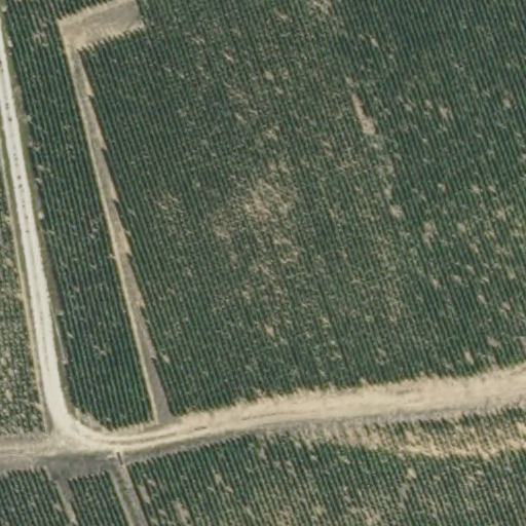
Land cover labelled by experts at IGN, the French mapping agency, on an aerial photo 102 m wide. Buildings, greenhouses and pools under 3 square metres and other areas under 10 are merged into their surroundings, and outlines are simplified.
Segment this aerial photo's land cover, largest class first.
<instances>
[{"label":"vineyard","instance_id":"1","mask_svg":"<svg viewBox=\"0 0 526 526\"><path fill-rule=\"evenodd\" d=\"M0 18L33 201V218L37 226L41 261L49 292V312L60 382L72 419H78L84 427L103 431L105 427L119 429L134 425L138 431H156L175 423L181 415L187 413L224 409L236 405L238 401L255 403L265 397L292 395L302 388L345 390L364 388L370 384L415 380L425 376L462 378L495 370L497 366L508 368L526 362V0H0ZM39 355L29 273L16 212L6 134L0 113V429L4 427L6 434H16L21 427L27 431H43V413L49 411L43 392L41 366L37 362ZM0 526H526V395H520L510 409L499 397H489L475 411L468 405H450L421 411L397 409L390 413L374 415L296 419L281 423H265L249 431H224L162 444L156 448L119 452L113 458H109L105 452H84L39 456L33 471H12L6 477H0Z\"/></svg>","mask_w":526,"mask_h":526},{"label":"pervious surface","instance_id":"2","mask_svg":"<svg viewBox=\"0 0 526 526\"><path fill-rule=\"evenodd\" d=\"M0 113L6 134L16 212L29 273L39 355L37 362L41 366L43 392L49 411L55 427L62 434L70 436L84 452H105L109 458H113L119 452L156 448L162 444L224 431H249L265 423H281L296 419L374 415L390 413L397 409L421 411L450 405H468L475 411L489 397H499L510 409L520 395H526V362L508 368L497 366L495 370L462 378L425 376L415 380L370 384L364 388L345 390L302 388L292 395L265 397L255 403L238 401L236 405L224 409L187 413L181 415L175 423L156 431H138L134 425L119 429L105 427L103 431L84 427L78 419H72L60 382L49 312V292L41 261L37 226L33 218V201L0 18Z\"/></svg>","mask_w":526,"mask_h":526},{"label":"herbaceous vegetation","instance_id":"3","mask_svg":"<svg viewBox=\"0 0 526 526\"><path fill-rule=\"evenodd\" d=\"M84 452L70 436L62 434L55 427L49 411L43 413V431H27L21 427L16 434H6L4 427L0 429V477H6L12 471H33L39 456Z\"/></svg>","mask_w":526,"mask_h":526}]
</instances>
